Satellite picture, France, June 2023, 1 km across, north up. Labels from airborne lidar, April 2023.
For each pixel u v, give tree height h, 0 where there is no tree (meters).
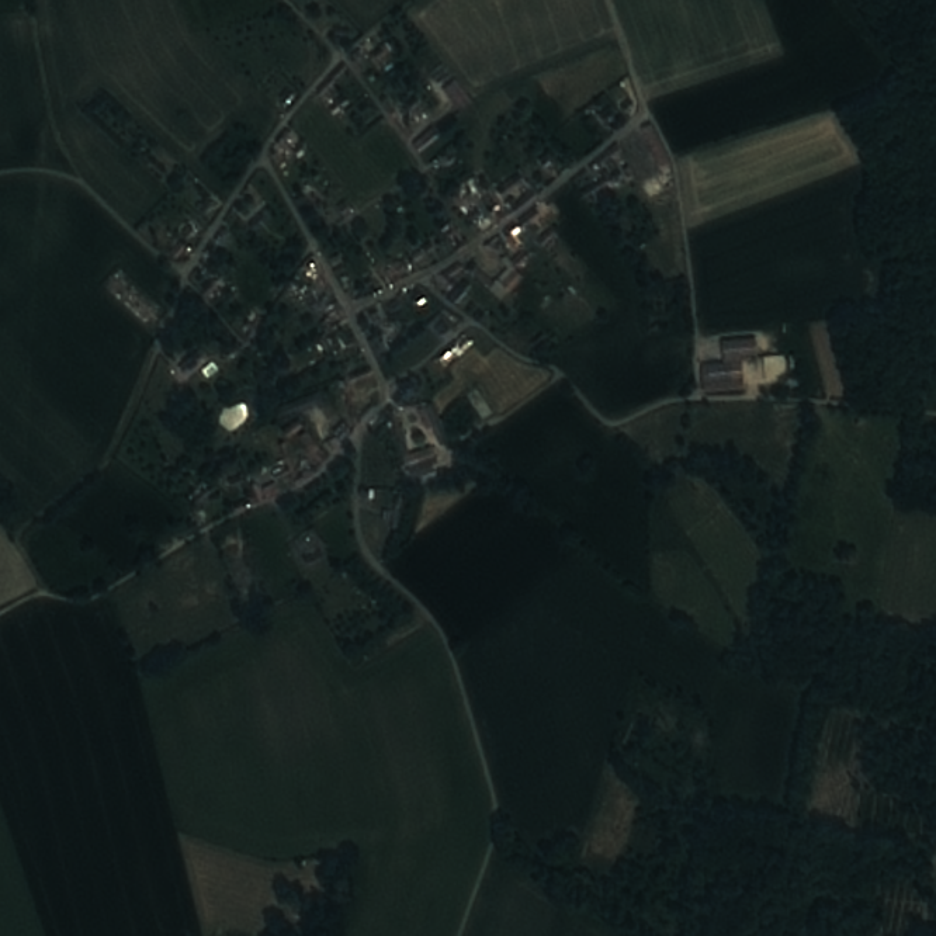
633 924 21
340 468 13
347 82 0
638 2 0
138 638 0
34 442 0
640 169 0
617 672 0
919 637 21
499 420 0
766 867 29
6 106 0
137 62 0
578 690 0
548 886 27
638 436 0
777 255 0
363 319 11
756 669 10
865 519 0
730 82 0
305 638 0
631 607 0
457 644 15
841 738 0
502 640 0
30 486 0
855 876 24
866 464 0
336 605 0
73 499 13
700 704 19
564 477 0
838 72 0
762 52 0
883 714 19
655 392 0
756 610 20
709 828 36
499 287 0
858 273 0
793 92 0
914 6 28
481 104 0
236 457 6
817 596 20
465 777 0
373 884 0
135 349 0
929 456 21
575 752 0
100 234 0
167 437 0
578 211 0
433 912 0
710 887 25
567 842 15
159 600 0
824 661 24
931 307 23
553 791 0
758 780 0
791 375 7
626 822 0
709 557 0
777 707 0
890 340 25
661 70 0
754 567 0
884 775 25
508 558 0
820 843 23
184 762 0
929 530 0
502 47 0
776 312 0
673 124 0
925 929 25
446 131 10
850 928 21
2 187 0
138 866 0
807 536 0
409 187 23
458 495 0
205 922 0
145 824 0
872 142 25
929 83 18
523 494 20
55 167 0
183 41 0
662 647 0
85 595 13
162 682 0
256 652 0
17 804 0
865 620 16
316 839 0
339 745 0
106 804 0
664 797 28
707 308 0
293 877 0
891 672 25
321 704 0
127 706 0
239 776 0
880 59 0
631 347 0
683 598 0
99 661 0
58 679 0
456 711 0
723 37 0
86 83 0
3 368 0
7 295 0
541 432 0
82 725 0
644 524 0
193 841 0
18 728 0
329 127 0
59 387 0
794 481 17
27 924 0
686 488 0
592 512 0
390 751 0
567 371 0
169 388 0
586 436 0
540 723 0
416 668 0
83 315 0
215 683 0
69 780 0
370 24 0
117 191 0
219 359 0
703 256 0
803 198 0
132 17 0
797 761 19
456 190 11
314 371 11
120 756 0
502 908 0
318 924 32
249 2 0
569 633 0
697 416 0
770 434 0
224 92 0
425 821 0
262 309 0
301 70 0
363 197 0
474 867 0
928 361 23
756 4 0
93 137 0
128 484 0
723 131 0
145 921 0
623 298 0
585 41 0
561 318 0
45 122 0
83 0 0
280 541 0
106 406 0
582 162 0
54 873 0
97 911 0
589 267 0
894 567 0
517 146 0
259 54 0
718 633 0
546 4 0
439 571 0
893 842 23
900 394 23
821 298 0
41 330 0
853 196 0
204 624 0
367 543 0
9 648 0
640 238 6
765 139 0
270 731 0
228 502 10
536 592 0
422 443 12
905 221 23
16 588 0
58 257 0
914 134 26
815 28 0
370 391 0
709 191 0
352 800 0
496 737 0
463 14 0
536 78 0
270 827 0
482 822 0
